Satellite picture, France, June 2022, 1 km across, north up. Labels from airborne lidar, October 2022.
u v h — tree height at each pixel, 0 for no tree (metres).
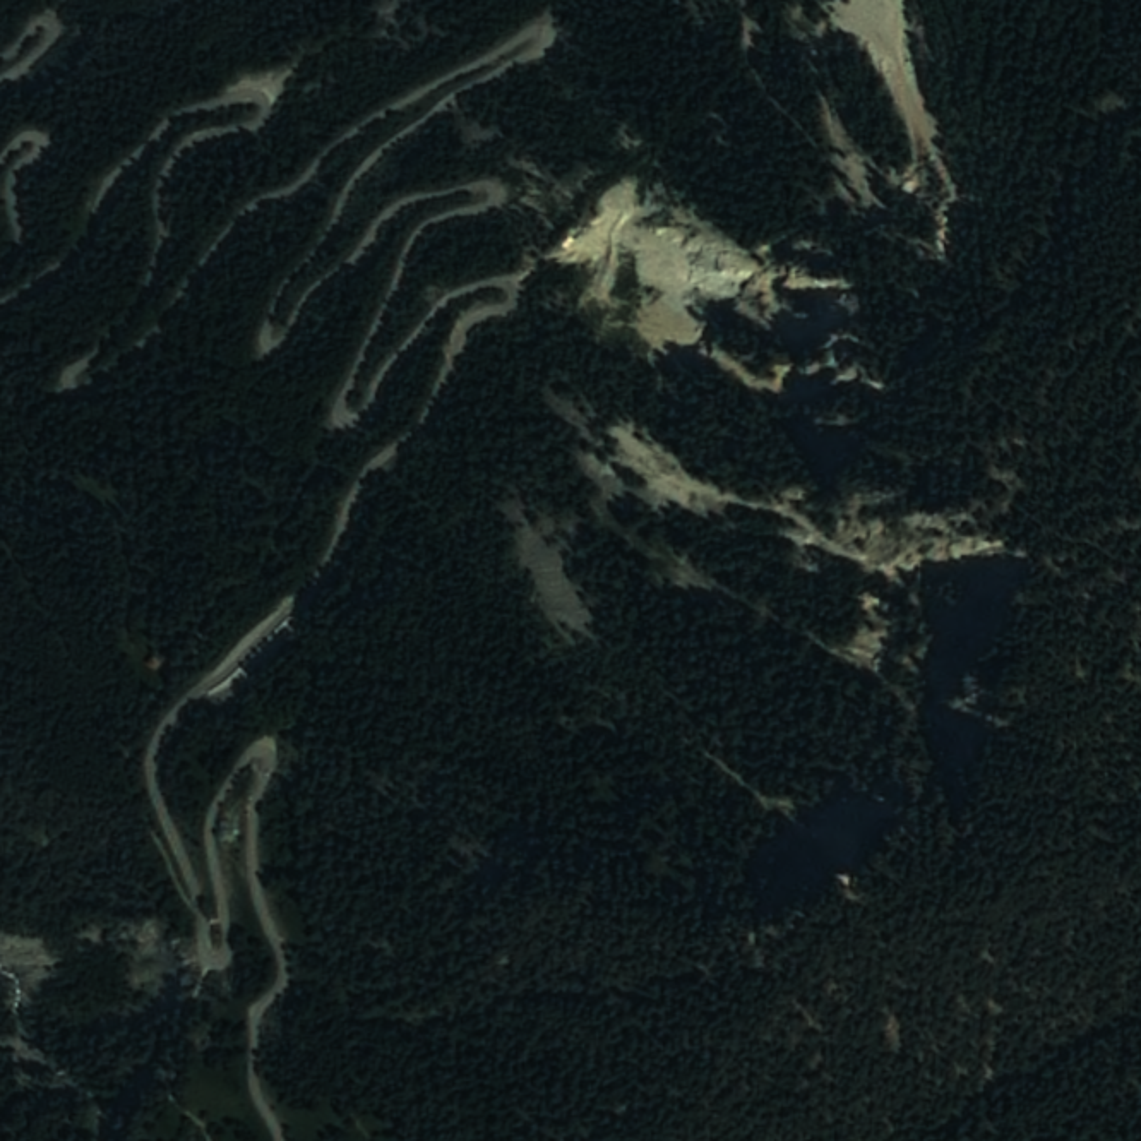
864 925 13
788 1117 24
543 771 22
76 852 18
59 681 30
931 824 20
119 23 19
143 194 16
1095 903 23
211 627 26
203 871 0
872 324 13
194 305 8
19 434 25
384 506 18
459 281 7
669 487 0
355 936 16
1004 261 22
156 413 28
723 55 20
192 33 24
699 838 33
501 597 13
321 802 28
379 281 15
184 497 16
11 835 22
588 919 22
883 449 9
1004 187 29
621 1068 21
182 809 22
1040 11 32
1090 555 29
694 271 0
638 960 19
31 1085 6
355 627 25
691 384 23
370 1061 22
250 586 9
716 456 8
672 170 15
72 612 24
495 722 25
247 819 0
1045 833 15
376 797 28
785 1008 10
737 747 25
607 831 38
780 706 20
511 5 17
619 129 7
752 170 26
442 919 25
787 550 20
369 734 22
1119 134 18
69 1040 30
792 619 33
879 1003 15
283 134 18
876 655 0
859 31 0
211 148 18
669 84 32
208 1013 12
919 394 10
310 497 26
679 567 0
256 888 0
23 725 21
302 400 17
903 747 19
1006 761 19
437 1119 17
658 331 0
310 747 25
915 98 0
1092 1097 10
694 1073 21
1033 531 17
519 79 14
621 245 0
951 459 16
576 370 22
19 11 13
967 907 24
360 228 7
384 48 7
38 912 9
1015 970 22
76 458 26
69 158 20
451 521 17
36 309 21
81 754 25
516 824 7
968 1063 20
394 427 24
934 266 11
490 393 26
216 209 19
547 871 28
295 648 26
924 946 20
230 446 19
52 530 21
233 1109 0
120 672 25
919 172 0
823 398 8
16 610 19
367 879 21
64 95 24
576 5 12
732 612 29
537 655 28
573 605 0
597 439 8
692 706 19
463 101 10
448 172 11
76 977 11
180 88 17
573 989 34
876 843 17
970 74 24
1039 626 16
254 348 9
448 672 20
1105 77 22
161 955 0
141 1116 24
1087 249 17
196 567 25
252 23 15
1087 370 23
